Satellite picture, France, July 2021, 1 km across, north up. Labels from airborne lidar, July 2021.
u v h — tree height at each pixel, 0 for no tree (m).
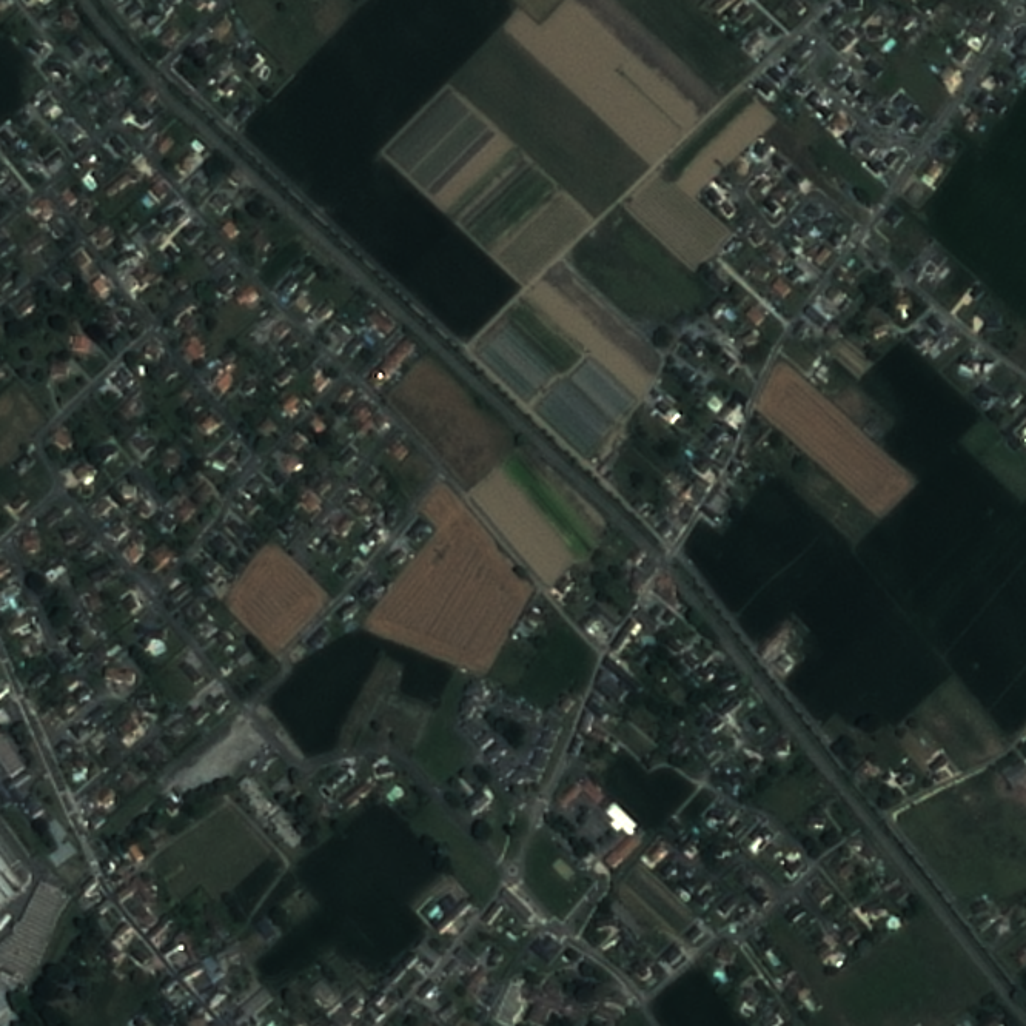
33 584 18
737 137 0
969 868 0
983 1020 12
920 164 0
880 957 0
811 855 12
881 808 14
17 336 8
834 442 0
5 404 0
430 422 0
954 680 0
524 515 0
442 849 17
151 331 0
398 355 0
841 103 0
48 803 9
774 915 0
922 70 0
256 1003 0
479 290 0
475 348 0
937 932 0
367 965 0
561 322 0
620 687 7
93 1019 0
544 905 0
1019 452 0
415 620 0
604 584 13
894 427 0
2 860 0
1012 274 0
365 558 0
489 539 0
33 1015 19
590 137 0
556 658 0
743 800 10
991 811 0
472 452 0
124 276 0
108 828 0
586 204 0
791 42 0
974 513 0
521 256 0
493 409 0
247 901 0
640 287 0
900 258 0
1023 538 0
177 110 0
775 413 0
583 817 7
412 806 15
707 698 10
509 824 0
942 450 0
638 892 0
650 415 0
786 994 6
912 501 0
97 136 0
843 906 7
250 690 11
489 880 0
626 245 0
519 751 9
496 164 0
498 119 0
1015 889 0
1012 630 0
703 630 11
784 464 0
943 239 0
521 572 16
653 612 8
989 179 0
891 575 0
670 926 0
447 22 0
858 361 0
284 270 0
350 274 0
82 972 10
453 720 0
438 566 0
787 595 0
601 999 7
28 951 0
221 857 0
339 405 9
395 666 0
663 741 6
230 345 7
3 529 6
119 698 0
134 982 11
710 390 6
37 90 0
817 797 0
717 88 0
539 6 0
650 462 0
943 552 0
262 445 18
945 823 0
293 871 0
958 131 0
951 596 0
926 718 0
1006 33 0
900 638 0
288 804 18
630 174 0
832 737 0
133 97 0
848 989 0
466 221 0
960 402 0
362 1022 6
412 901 0
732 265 0
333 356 0
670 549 0
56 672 7
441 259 0
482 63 0
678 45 0
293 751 0
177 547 6
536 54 0
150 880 6
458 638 0
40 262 0
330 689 0
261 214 17
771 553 0
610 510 0
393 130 0
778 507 0
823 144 0
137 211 0
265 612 0
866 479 0
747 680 11
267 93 14
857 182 0
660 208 0
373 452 0
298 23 0
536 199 0
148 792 0
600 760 8
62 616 23
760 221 0
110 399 7
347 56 0
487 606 0
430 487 0
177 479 14
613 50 0
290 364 6
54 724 0
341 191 0
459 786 11
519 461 0
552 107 0
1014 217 0
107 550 0
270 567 0
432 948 7
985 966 0
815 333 0
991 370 0
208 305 9
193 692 0
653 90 0
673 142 0
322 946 0
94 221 7
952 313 0
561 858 0
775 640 0
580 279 0
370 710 0
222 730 0
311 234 0
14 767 0
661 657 9
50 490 0
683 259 0
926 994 0
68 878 0
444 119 0
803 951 0
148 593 0
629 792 0
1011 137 0
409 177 0
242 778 0
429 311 0
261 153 0
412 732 0
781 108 0
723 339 0
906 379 0
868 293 6
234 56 9
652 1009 0
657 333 7
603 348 0
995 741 0
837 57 0
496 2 0
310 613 0
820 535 0
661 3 0
